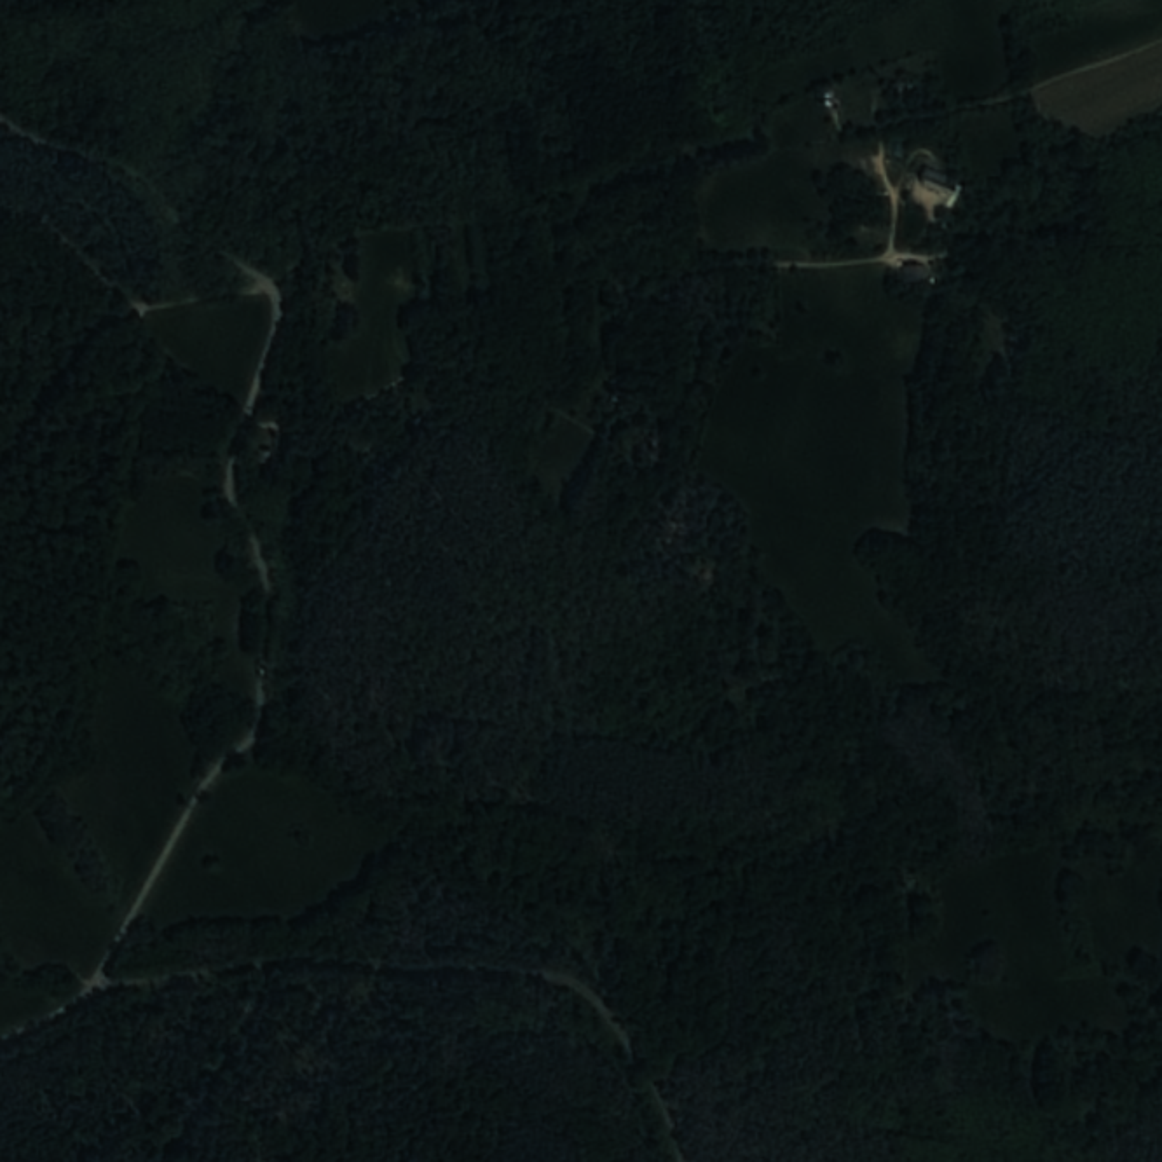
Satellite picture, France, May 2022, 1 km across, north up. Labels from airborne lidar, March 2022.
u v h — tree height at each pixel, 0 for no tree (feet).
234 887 0
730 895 40
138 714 0
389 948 86
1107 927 0
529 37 63
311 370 52
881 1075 59
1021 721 44
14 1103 83
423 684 54
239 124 81
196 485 0
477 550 60
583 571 49
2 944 28
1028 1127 48
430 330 77
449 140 66
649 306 70
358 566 60
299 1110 72
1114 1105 21
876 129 31
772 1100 70
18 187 94
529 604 50
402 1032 85
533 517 57
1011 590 36
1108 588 55
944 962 0
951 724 63
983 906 0
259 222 76
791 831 58
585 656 64
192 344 0
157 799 0
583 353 66
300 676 77
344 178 53
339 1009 92
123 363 76
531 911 72
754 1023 63
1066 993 0
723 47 41
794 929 63
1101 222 56
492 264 72
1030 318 53
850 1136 63
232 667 0
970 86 0
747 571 41
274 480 79
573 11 59
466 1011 96
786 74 0
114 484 71
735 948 64
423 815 70
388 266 0
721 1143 54
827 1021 49
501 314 78
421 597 70
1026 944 0
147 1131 66
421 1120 88
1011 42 37
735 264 42
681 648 45
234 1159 75
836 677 47
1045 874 0
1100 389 56
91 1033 70
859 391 0
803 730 49
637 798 72
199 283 61
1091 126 0
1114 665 37
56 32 70
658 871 62
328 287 31
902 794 52
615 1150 62
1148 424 57
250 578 59
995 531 82
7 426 82
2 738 70
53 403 85
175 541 0
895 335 0
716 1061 54
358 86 60
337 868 0
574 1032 86
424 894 87
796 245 0
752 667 54
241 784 0
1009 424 79
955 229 25
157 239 68
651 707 47
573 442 0
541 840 58
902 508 0
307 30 0
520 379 65
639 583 87
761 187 0
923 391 43
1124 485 78
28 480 95
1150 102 0
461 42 99
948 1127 39
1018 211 54
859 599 0
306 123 77
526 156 86
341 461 46
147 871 0
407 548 59
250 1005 64
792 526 0
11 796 66
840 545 0
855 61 0
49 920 0
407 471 58
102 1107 83
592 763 69
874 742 67
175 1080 73
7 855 0
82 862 28
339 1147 82
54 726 61
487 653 48
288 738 62
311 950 64
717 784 71
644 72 52
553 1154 96
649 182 60
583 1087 55
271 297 0
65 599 94
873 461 0
